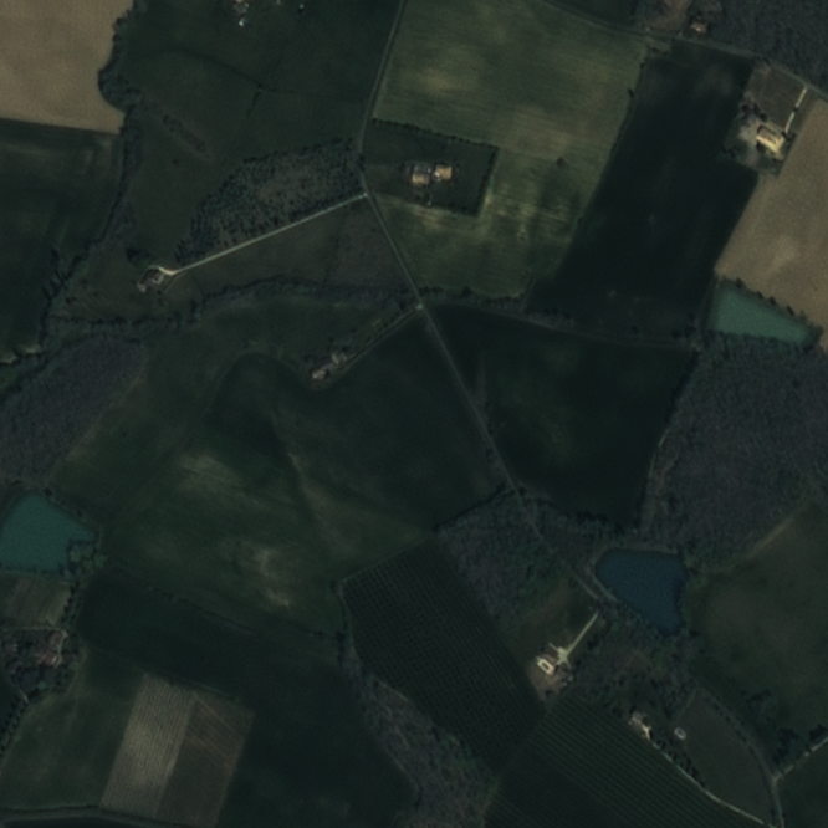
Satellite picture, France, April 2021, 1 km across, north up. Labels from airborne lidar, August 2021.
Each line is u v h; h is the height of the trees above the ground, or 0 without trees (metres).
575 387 0
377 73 0
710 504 18
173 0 0
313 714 0
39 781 0
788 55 16
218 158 0
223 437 0
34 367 12
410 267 0
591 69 0
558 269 0
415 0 0
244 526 0
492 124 0
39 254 0
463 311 0
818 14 16
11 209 0
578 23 0
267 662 0
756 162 0
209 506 0
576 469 0
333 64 0
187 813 0
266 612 0
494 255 0
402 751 18
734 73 0
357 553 0
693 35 0
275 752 0
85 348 13
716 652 0
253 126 0
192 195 0
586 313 0
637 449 0
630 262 0
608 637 10
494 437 8
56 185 0
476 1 0
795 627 0
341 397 0
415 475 0
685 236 0
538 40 0
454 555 15
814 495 16
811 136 0
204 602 0
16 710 13
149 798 0
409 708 14
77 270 14
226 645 0
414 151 0
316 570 0
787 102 0
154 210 0
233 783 0
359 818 0
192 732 0
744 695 9
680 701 18
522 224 0
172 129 12
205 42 0
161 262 0
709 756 0
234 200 7
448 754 19
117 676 0
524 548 22
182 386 0
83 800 0
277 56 0
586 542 11
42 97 0
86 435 14
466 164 0
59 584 0
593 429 0
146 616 0
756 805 0
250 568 0
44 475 15
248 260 0
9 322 0
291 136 0
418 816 9
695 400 17
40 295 0
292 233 0
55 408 18
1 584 0
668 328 0
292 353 0
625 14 0
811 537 0
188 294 0
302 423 0
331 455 0
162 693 0
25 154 0
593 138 0
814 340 0
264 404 0
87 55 0
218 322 0
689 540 17
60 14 0
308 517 0
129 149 7
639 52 0
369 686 14
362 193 11
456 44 0
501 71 0
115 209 6
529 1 0
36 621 0
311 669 0
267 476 0
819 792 0
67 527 0
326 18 0
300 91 0
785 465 22
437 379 0
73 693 0
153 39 0
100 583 0
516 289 0
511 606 20
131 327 15
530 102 0
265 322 0
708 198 0
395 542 0
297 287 11
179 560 0
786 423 17
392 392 0
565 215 0
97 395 19
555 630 0
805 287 0
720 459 15
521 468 0
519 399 0
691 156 0
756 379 23
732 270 0
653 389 0
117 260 0
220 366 0
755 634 0
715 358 22
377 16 0
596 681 9
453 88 0
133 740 0
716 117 0
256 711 0
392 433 0
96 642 0
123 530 0
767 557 0
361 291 5
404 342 0
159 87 0
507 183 0
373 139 0
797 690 0
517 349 0
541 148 0
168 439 0
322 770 0
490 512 17
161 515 0
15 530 0
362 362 0
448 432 0
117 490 0
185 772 0
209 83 0
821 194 0
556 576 23
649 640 19
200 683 0
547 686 0
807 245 0
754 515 19
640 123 0
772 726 17
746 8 19
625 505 0
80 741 0
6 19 0
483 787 21
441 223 0
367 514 0
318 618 0
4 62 0
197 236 7
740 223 0
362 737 0
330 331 0
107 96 12
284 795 0
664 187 0
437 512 0
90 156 0
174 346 0
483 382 0
